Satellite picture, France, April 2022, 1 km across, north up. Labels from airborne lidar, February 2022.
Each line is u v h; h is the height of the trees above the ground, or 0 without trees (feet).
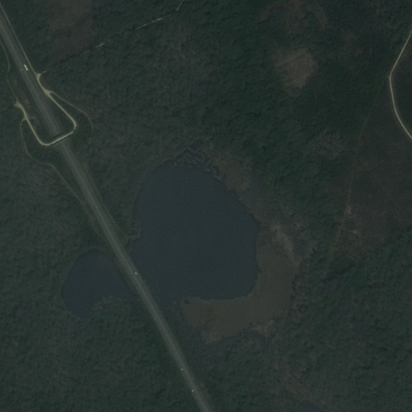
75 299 0
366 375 87
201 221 0
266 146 78
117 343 76
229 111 74
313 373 84
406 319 94
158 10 81
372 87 46
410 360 94
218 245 0
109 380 86
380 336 84
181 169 0
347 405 89
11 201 77
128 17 64
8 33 0
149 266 0
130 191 63
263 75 75
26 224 82
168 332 0
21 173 86
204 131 83
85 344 81
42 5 83
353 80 67
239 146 100
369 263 83
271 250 0
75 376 64
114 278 0
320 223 76
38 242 84
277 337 60
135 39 71
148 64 66
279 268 0
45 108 0
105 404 83
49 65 67
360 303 78
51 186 79
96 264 0
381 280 90
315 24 38
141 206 0
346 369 84
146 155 86
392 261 70
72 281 0
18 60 0
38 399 78
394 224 0
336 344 89
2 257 89
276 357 72
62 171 0
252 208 0
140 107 88
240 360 88
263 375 76
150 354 88
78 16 0
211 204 0
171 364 40
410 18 83
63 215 85
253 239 0
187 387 0
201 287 0
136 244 0
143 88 93
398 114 0
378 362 83
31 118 0
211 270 0
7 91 98
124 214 77
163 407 90
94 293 0
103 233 0
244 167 63
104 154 78
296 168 79
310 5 0
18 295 93
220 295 0
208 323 0
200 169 0
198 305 0
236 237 0
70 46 0
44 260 67
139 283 0
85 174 0
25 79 0
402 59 0
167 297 0
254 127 81
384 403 90
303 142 80
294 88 0
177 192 0
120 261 0
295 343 85
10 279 79
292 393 49
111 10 86
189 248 0
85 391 76
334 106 31
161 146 61
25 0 74
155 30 85
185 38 69
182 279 0
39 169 80
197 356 60
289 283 0
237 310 0
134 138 85
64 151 0
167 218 0
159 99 72
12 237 89
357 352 95
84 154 0
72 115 0
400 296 84
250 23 76
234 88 73
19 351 83
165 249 0
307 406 0
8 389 89
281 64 0
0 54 53
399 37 88
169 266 0
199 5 83
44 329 86
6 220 62
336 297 87
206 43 60
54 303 81
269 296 0
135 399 85
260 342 46
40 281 76
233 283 0
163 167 0
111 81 83
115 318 91
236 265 0
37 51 79
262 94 85
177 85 100
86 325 83
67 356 81
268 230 0
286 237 0
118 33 83
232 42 84
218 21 87
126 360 82
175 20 85
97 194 0
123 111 84
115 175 85
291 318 59
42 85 0
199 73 80
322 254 85
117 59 74
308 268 57
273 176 100
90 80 93
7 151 73
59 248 85
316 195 84
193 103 88
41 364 77
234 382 84
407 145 0
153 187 0
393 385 94
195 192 0
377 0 83
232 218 0
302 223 75
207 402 0
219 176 0
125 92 76
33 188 89
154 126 53
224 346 18
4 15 0
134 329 77
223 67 81
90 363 77
